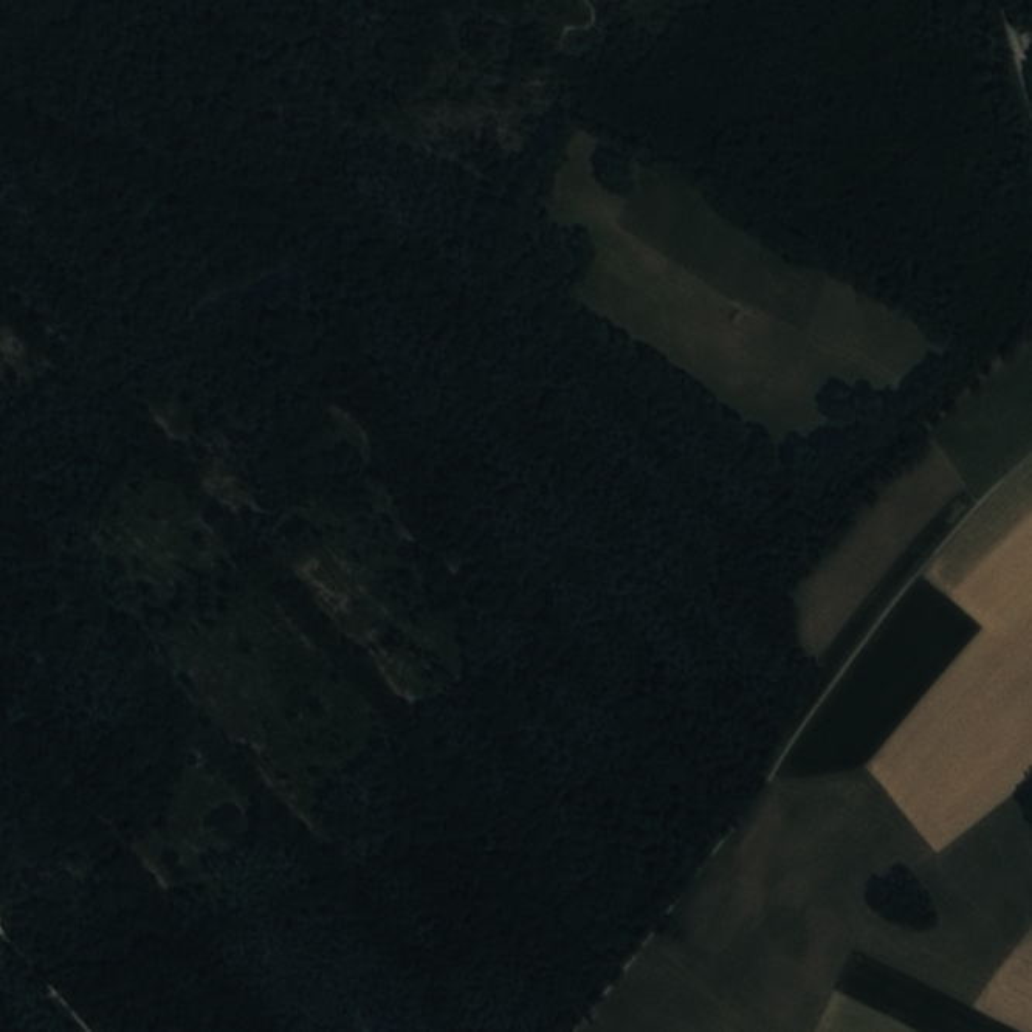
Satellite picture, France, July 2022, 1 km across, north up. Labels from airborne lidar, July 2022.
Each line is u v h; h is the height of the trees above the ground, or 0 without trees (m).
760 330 0
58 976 20
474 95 8
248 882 22
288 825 27
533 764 28
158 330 16
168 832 22
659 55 10
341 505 22
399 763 20
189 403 16
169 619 17
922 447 23
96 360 13
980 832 0
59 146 30
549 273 26
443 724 23
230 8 27
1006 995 0
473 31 11
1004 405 0
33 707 20
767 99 14
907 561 0
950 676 0
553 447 19
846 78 14
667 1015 0
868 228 20
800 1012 0
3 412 10
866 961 0
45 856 24
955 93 11
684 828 14
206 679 0
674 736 24
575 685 30
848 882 0
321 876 27
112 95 21
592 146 0
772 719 21
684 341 0
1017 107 16
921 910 18
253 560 29
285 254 20
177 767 20
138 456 21
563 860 25
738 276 0
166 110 21
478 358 22
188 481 29
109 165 29
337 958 24
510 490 26
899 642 0
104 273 20
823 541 24
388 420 24
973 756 0
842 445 30
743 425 26
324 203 23
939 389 15
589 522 29
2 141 15
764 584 24
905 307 23
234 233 27
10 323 27
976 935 0
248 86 27
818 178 18
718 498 28
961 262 21
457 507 24
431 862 21
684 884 28
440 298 20
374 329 24
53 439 19
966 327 12
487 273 28
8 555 23
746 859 0
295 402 16
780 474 30
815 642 0
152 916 28
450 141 17
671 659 34
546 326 28
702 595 31
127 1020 28
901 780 0
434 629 0
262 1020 27
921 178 19
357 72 20
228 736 24
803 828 0
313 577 0
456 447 23
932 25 11
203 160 20
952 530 0
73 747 19
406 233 23
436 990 24
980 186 12
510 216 26
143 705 16
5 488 23
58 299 23
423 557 21
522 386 20
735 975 0
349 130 23
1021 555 0
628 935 20
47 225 21
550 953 24
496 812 25
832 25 22
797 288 0
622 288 0
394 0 22
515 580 25
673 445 23
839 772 0
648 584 26
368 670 27
